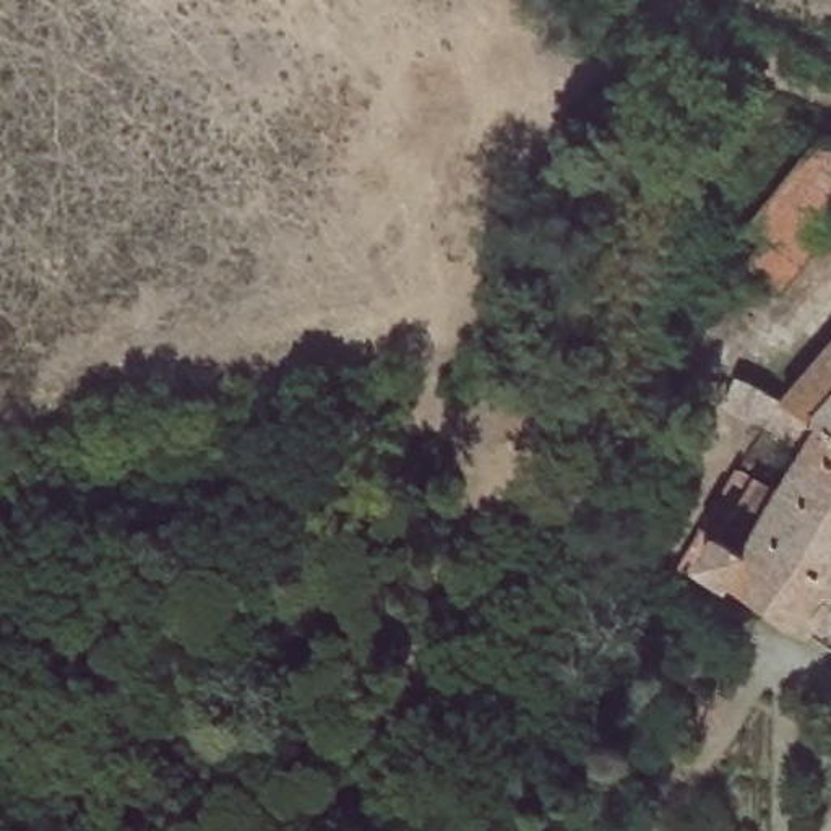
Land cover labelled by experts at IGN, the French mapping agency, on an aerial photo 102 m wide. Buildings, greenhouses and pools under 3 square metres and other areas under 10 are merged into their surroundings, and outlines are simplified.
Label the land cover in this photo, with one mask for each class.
<instances>
[{"label":"deciduous trees","instance_id":"1","mask_svg":"<svg viewBox=\"0 0 831 831\"><path fill-rule=\"evenodd\" d=\"M519 23L529 26L549 52L571 55L578 68L555 97L552 127H536L506 117L484 136L474 156V166L484 169V224L471 230V243L477 250V286L471 295L474 321H467L458 331L454 354L448 364H441L438 373V396L445 403L441 428L416 425L412 416L425 383V354L432 347L428 331L419 321H399L390 328V334L377 341H344L328 331H305L279 364L263 357L230 364H217L208 357L192 360L179 357L175 347H156L153 354L130 351L123 367H88L78 377V383L65 390L55 409L36 406L32 399L23 403L10 393H3L0 403V831H831V656H821L805 669L789 672L776 688H766L753 701L747 721L740 724L737 737L717 760V766L708 773H695L691 760L704 747L708 708L714 704V698H730L753 672L756 643L750 630L756 617L734 597L711 594L682 568V558L695 545V539L704 536L698 516L711 493L701 490L704 451L714 445L717 406L727 396L730 383L743 380L763 390L766 396L779 399L831 344V318L789 357L782 370H769L756 360H737L734 367H724L721 344L730 334L753 328V308H760L769 299L773 282L769 273L756 269L753 263L763 250L753 240L737 237V230L747 227L769 205L779 185L805 159H812L815 153H831V140L792 133L786 110L795 107L802 97L831 107V0H513ZM477 403H487L497 412L519 416L523 428L513 441V480L500 490L497 500L484 497L474 506L464 493V471L458 467L454 454L474 448L480 435L477 425L467 419V409H474ZM782 438L763 425H753L747 448L766 467H773L776 445ZM740 503L753 513L756 523L773 503L776 490L760 484L756 477H743V484L737 487Z\"/></svg>","mask_w":831,"mask_h":831},{"label":"herbaceous vegetation","instance_id":"2","mask_svg":"<svg viewBox=\"0 0 831 831\"><path fill-rule=\"evenodd\" d=\"M578 68L571 55L549 52L529 26L519 23L513 0H0V403L3 393H10L23 403L32 399L36 406L55 409L65 390L78 383V377L88 367H123L130 351L153 354L156 347H175L179 357L192 360L208 357L217 364H230L263 357L279 364L305 331H328L344 341H377L390 334V328L399 321H419L428 331L432 347L425 354V383L412 416L416 425L441 428L445 403L438 396V373L441 364H448L454 354L458 331L467 321H474L471 295L477 286V250L471 243V230L484 224V169L474 166V156L484 136L506 117L536 127H552L555 97ZM467 419L477 425L480 435L474 448L454 454L458 467L464 471V493L474 506L484 497L497 500L500 490L513 480V441L523 428L519 416L497 412L487 403H477L474 409H467Z\"/></svg>","mask_w":831,"mask_h":831},{"label":"building","instance_id":"3","mask_svg":"<svg viewBox=\"0 0 831 831\"><path fill-rule=\"evenodd\" d=\"M792 133L831 140V107L802 97L795 107L786 110ZM737 237L753 240L763 250L753 263L756 269L769 273L773 282L789 279L792 286H802V279L821 256H831V153H815L812 159H805L779 185L769 205L747 227L737 230ZM753 425H763L782 438H789L802 454L795 458V464L776 490L773 503L756 523L740 555L727 552L717 542H708L704 536L695 539V545L682 558V568L711 594L734 597L756 617L789 633L792 639H808L821 633L831 614V344L779 399L766 396L763 390L743 380L730 383L727 396L717 406L714 445L704 451L701 490L711 493L717 474L734 461L737 451L747 448Z\"/></svg>","mask_w":831,"mask_h":831},{"label":"pervious surface","instance_id":"4","mask_svg":"<svg viewBox=\"0 0 831 831\"><path fill-rule=\"evenodd\" d=\"M831 318V256H821L802 279V286H792L789 279L773 282L769 299L760 308H753V328L730 334L721 344L724 367H734L737 360H756L769 370H782L789 357ZM802 454L789 438H782L776 445L773 467H766L747 448L737 451L734 461L717 474L711 493L698 516L704 536L708 542H717L727 552L740 555L756 523L753 513L740 503L737 487L743 484V477H756L760 484L776 490L795 464V458Z\"/></svg>","mask_w":831,"mask_h":831},{"label":"impervious surface","instance_id":"5","mask_svg":"<svg viewBox=\"0 0 831 831\"><path fill-rule=\"evenodd\" d=\"M756 643L753 672L730 698H714V704L708 708L704 747L691 760L695 773H708L717 766V760L737 737L740 724L747 721L753 701L766 688H776L789 672L805 669L821 656H831V614L821 633L808 639H792L789 633L756 617L750 630Z\"/></svg>","mask_w":831,"mask_h":831}]
</instances>
